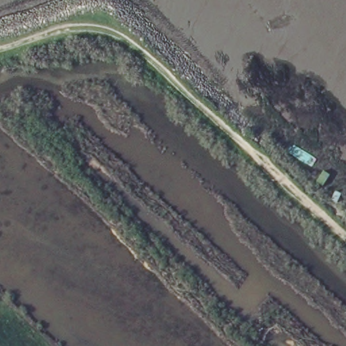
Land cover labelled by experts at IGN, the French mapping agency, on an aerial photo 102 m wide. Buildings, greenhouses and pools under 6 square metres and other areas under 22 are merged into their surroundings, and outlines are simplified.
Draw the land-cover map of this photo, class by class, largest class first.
<instances>
[{"label":"water","instance_id":"1","mask_svg":"<svg viewBox=\"0 0 346 346\"><path fill-rule=\"evenodd\" d=\"M20 86L26 91L45 92L51 103L57 99L61 100L70 114L76 118L84 115L86 124L95 128L97 134L103 135L109 147L130 159L143 180L154 185V188L162 181L159 189L165 193L164 203L172 208L176 205L178 209H185L189 218L196 220L197 226L204 227L212 235L216 245L226 251L224 254V257L242 273L239 281L241 287L228 284L214 268L201 262L189 247L178 242L176 235L165 227L161 220L150 215L142 205L128 195L118 182L107 180L103 176L100 178L101 184L109 185L132 214H139L154 228L166 235L185 258L192 264L199 266L201 273L212 281L220 295L232 301L234 307L242 308L243 315L258 318L261 301L265 297H270L273 301L278 297L281 303L289 304L305 323L314 327L324 341L338 343L339 346H346V337L341 330L328 322L322 311L311 307L303 296L272 276L262 266L249 247L243 245L231 230L222 205L205 193L204 189L216 192L230 201L243 219L253 224L261 234L266 235L278 249L295 259L305 272L326 288L327 292L346 305V270L339 269L334 261L327 258L326 246L308 239L299 222H293L278 214L274 205L265 203L245 185L238 174V162L223 166L218 158L212 157L205 147L201 146L199 139L188 134L181 124L174 123L166 112L165 97L162 96L157 103H145L138 97H132L128 107L150 131L149 135L153 137L154 143L147 141L142 132L134 126L128 127L123 135L115 134L104 127L91 105L70 100L62 93V88L51 82L36 80L32 73L9 68H0V97L12 95ZM0 291L11 296L15 307L24 308L28 318L38 323L42 334L57 346H228L223 337L216 334L214 328L205 323L185 301L178 299L176 293L170 291L164 282L159 280L154 270H147L143 266L142 259L135 257L122 241L112 234L111 228L103 219L76 193L70 191L68 185L59 181L54 173L43 168L0 128Z\"/></svg>","mask_w":346,"mask_h":346},{"label":"brushwood","instance_id":"2","mask_svg":"<svg viewBox=\"0 0 346 346\"><path fill-rule=\"evenodd\" d=\"M74 61L80 64L92 61L108 62L118 65L119 72L132 85L146 86L162 96L165 97L166 112L174 123L181 124L188 134L199 139L201 146L205 147L212 157L218 158L223 166L238 162V174L245 185L265 203L274 205L278 214L293 222H299L308 239L326 246L327 258L334 261L339 269L346 270V241L335 234L323 219L312 215L310 209L285 192L264 166L258 165L226 131L216 126L200 108L191 103L188 97L174 88L173 84L147 62L141 51L128 45L126 41H119L107 35L81 32L65 41H58L55 45H34L30 54L22 61L16 55H12L9 68L32 73L38 69H70ZM246 72L250 74L249 80H237L239 89H241V91H243L245 95L253 97V99L258 100V105H249V107H247L245 111V116L253 120V126H251L249 131L251 132V135H253L254 143L253 145H251L254 147L255 150H258L259 153H264L266 157H268L270 161H272L273 165H276L282 173L287 174L289 180L295 182L296 187L299 188L300 191L304 193V195L310 197V199L314 201L315 204H318L320 208H323L324 211H326L327 214L330 215L331 218L334 219L335 222H337L339 226H341L343 230L346 231V108L343 107L341 103H339L337 97L332 95L331 92L327 91L326 86H324V81L319 76H315L314 73H297L295 66L288 64V62L282 61V59H276V61H274L272 65H268L264 61V58H262V55L255 53L253 59H251L249 66H247V68L245 69ZM322 172L328 173L327 180L326 182H323V184L322 182L318 181L319 174ZM0 128L43 168L54 173L59 181L68 185L70 191L76 193L103 219L111 228L112 234L122 241L135 257L142 259L143 266L147 270H154L159 280L164 282L170 291L176 293L178 299L185 301L205 323L214 328L216 334L223 337L228 346H270L261 342L262 335L268 328L265 324L259 322L258 318L243 315L242 308L234 307L232 301L220 295L215 299L204 292L205 284L199 278L193 277L189 269L192 264L185 258L180 264L170 251L165 250L158 238H150L154 228L139 214H132L109 185L101 184L100 178L103 176L107 180L118 182L128 195L142 205L145 204L147 189L164 203L165 193L159 189L162 181L154 188V185L143 180L130 159L109 147L103 135L97 134L95 128L86 124L84 115L76 118L70 114L61 100L57 99L51 103L45 92L26 91L20 86L12 95L0 97ZM193 230L203 235L205 241L211 243L220 254H224L226 251L216 245L212 235L204 227L197 226L196 220L189 218L185 209H178L176 205L172 208Z\"/></svg>","mask_w":346,"mask_h":346},{"label":"bare soil","instance_id":"3","mask_svg":"<svg viewBox=\"0 0 346 346\"><path fill-rule=\"evenodd\" d=\"M151 4L157 5L159 11L164 12L166 18L180 28L182 34L195 43L212 66L226 77L224 91L230 92L239 109L245 111L247 107H249V105H258V100L253 99V97L245 95L243 91H241V89H239L237 80H249L250 74L246 72L245 69L247 68V66H249L251 59H253L255 53L262 55V58H264V61L268 65H272L274 61H276V59H282V61L288 62V64L295 66L297 73H314L315 76H319L324 81V86H326L327 91L331 92L332 95L337 97L339 103H341L343 107L346 108V0H149ZM36 80L51 82L62 88V85L76 81L101 82L107 84L116 99L128 107L132 97H138L145 103H157L162 96L146 86L132 85L119 72L118 65L108 62L92 61L80 64L74 61L70 69H38L32 73ZM158 238L165 250L170 251L180 264L185 258L166 235L154 228L150 238ZM189 269L193 277L199 278L205 284L204 292L215 299L220 295L212 281L201 273L199 266L192 264ZM268 328L262 335L261 342L270 346H284L287 341H291L288 335L280 331V327L274 324V319L270 316L265 324Z\"/></svg>","mask_w":346,"mask_h":346},{"label":"herbaceous vegetation","instance_id":"4","mask_svg":"<svg viewBox=\"0 0 346 346\"><path fill-rule=\"evenodd\" d=\"M81 22L107 24L130 35L139 45L146 41L124 26L118 16L100 9L74 18L42 24L30 32L24 30L20 35L0 39V45L58 24ZM81 32L107 35L108 32L100 28L70 27L66 34L0 51V68H9L12 55H16L22 61L30 54L34 45H55L58 41H65ZM62 93L70 100L91 105L104 127L115 134L123 135L128 127L134 126L142 132L147 141L154 143L153 137L149 135L150 131L128 107L116 99L107 84L101 82L76 81L62 85ZM185 85L251 145H253L254 143L253 135H251V132L249 131H239L223 112L200 95L189 82ZM150 215L161 220L165 227L176 235L178 242L189 247L201 262L214 268L228 284L241 287L239 281L242 273L224 257V254H220L211 243L205 241L203 235L193 230L172 208L164 203L147 189L145 204L142 205ZM205 193L222 205L231 230L243 245L249 247L262 266L272 276L303 296L311 307L322 311L328 322L341 330L346 337V305L327 292L326 288L305 272L295 259L278 249L266 235L261 234L253 224L243 219L230 201L216 192L204 189ZM0 346H57L42 334L38 323L28 318L24 308L15 307L11 296L0 291ZM270 316L274 319V324L280 327V331L288 335L291 341H287L284 346H339L338 343L324 341L314 327L305 323L289 304L281 303L278 297L273 301L270 297H265L261 301L258 318L259 322L265 324Z\"/></svg>","mask_w":346,"mask_h":346},{"label":"pervious surface","instance_id":"5","mask_svg":"<svg viewBox=\"0 0 346 346\"><path fill-rule=\"evenodd\" d=\"M100 9L118 16L124 26L146 41L139 45L130 35L107 24L81 22L58 24L0 45V51L66 34L70 27L100 28L108 32L107 35L119 41H126L128 45L141 51L147 62L173 84L174 88L188 97L191 103L200 108L216 126L226 131L258 165L264 166L285 192L310 209L312 215L323 219L335 234L346 241V231L343 230L341 226H339L337 222H335L334 219L331 218L330 215L327 214L326 211H324L323 208H320L318 204H315L314 201L310 199V197L304 195V193L300 191L299 188L296 187L295 182L289 180L287 174L282 173L276 165H273L272 161H270L268 157H266L264 153H259L258 150H255L254 147L251 145L185 85L189 82L200 95L223 112L239 131H249L251 126H253V120L245 116V111L239 109L230 92L224 91L226 77L212 66L195 43L182 34L180 28L166 18L164 12L159 11L157 5L151 4L149 0H0V39L20 35L24 30L30 32L42 24L74 18Z\"/></svg>","mask_w":346,"mask_h":346},{"label":"building","instance_id":"6","mask_svg":"<svg viewBox=\"0 0 346 346\"><path fill-rule=\"evenodd\" d=\"M328 173L322 172L319 174L318 181L322 182L323 184V182H326L327 180Z\"/></svg>","mask_w":346,"mask_h":346}]
</instances>
